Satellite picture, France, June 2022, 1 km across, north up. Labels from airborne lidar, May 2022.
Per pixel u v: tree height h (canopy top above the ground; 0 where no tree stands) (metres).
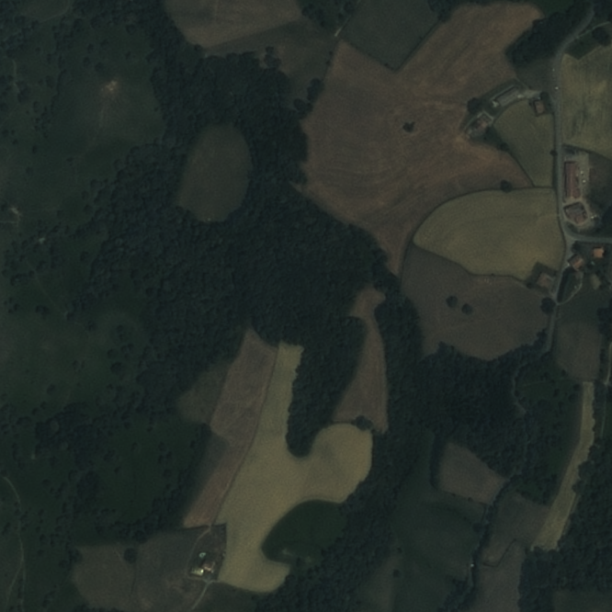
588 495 9
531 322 0
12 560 0
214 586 0
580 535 22
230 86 13
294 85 0
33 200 0
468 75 0
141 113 0
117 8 15
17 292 0
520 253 0
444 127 0
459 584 13
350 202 0
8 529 13
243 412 0
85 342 0
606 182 0
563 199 0
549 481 12
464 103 0
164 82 13
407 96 0
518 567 0
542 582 25
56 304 0
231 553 0
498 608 0
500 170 0
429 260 0
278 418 0
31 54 0
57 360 0
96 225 20
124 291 0
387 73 0
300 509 0
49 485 13
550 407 13
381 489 21
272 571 0
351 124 0
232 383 0
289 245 18
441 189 0
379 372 0
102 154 0
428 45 0
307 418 20
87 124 0
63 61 17
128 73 0
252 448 0
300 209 22
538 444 19
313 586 7
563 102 0
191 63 0
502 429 27
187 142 19
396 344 23
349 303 13
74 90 0
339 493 0
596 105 0
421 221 0
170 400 21
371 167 0
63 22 8
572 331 0
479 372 20
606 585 17
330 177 0
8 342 0
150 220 27
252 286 23
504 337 0
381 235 0
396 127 0
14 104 0
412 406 25
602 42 17
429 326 0
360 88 0
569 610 0
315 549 0
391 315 23
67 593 0
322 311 16
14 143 9
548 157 0
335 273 23
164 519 12
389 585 0
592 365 0
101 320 0
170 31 11
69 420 28
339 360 22
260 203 20
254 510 0
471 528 0
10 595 0
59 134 0
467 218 0
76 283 0
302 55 0
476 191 0
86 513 10
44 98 0
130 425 16
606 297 0
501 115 0
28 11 0
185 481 15
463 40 0
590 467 17
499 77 0
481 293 0
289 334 17
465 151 0
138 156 20
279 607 19
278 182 23
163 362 24
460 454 0
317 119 0
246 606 0
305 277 19
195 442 13
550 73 0
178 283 24
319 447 0
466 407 15
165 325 20
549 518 0
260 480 0
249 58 13
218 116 21
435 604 0
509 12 0
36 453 11
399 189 0
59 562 7
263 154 20
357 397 0
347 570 25
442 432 26
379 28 0
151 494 0
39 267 13
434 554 0
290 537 0
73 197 0
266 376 0
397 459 18
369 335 0
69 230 14
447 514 0
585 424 0
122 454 0
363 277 21
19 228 0
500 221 0
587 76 0
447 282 0
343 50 0
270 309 15
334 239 25
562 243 0
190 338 25
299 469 0
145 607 0
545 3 0
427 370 21
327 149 0
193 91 24
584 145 0
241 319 23
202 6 0
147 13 19
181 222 12
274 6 0
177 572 0
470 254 0
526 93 0
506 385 23
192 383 13
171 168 23
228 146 0
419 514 0
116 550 0
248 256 16
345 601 18
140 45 0
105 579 0
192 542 0
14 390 0
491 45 0
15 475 0
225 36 0
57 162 0
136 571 0
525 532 0
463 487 0
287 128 16
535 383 0
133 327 0
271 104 14
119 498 0
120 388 14
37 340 0
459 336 0
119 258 24
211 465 0
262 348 0
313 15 15
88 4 21
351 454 0
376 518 24
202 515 0
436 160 0
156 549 0
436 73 0
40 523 9
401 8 0
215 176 0
